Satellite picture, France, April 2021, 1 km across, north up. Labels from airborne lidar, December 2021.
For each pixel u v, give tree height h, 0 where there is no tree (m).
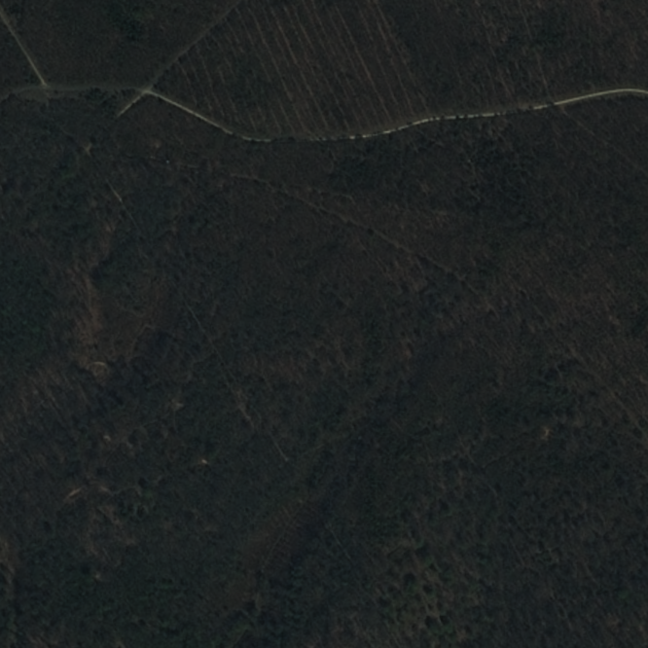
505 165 10
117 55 14
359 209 11
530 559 8
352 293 11
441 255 13
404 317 14
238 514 14
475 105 12
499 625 19
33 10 12
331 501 12
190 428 16
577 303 12
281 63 14
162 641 21
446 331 17
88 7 13
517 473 7
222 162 10
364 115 13
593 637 22
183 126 9
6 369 23
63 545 17
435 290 19
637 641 21
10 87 7
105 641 27
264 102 11
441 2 16
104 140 5
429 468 13
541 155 12
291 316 10
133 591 17
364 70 15
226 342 9
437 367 14
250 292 14
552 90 12
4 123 9
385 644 9
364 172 8
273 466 18
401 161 11
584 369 15
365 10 14
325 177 15
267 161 13
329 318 13
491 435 11
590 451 14
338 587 17
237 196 11
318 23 16
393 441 16
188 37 11
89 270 28
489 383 14
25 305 17
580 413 9
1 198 14
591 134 9
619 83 12
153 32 13
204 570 17
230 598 5
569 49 12
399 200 8
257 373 13
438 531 18
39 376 36
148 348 8
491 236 15
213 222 11
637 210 15
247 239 12
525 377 14
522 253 15
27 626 28
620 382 17
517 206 13
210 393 7
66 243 14
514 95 13
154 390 15
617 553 9
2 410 28
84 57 13
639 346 18
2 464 36
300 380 14
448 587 19
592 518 15
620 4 15
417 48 16
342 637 14
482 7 12
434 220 15
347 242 9
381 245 12
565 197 14
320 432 17
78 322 6
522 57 14
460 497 21
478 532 15
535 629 18
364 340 13
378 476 13
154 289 10
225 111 13
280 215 12
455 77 16
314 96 13
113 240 16
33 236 19
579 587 18
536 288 16
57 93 7
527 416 9
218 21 0
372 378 8
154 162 8
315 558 17
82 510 17
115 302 9
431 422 8
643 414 15
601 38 15
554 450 9
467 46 13
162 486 16
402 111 14
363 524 12
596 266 16
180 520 15
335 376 12
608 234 14
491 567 21
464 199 13
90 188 16
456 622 20
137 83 9
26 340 15
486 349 12
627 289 18
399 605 20
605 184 14
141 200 15
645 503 14
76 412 35
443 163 16
